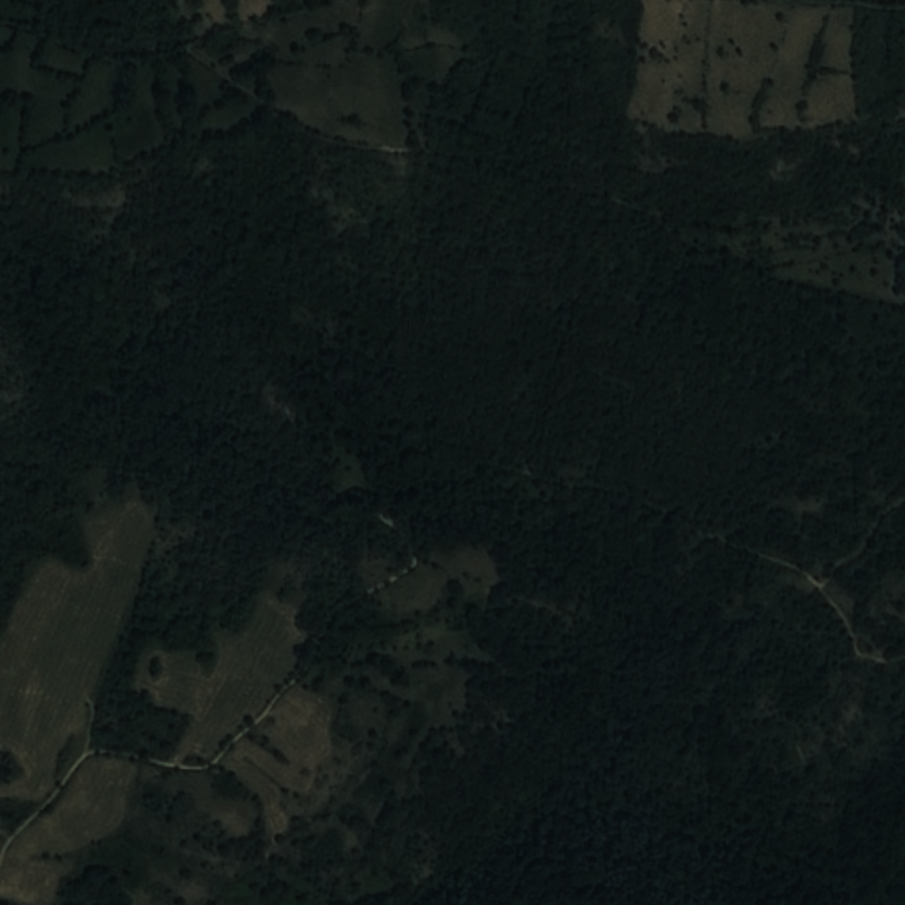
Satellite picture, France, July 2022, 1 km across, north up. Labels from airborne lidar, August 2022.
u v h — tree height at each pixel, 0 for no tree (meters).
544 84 11
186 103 27
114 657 6
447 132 12
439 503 19
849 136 9
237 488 15
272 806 0
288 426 12
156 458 15
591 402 6
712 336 12
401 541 6
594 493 17
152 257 8
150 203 11
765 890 11
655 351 9
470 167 15
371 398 21
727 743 16
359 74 0
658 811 33
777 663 10
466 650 0
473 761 10
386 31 0
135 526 0
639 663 20
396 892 15
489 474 11
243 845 10
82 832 0
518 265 11
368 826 7
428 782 13
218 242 14
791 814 15
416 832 8
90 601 0
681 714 9
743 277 16
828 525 10
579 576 15
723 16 0
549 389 9
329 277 17
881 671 10
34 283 25
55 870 0
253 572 11
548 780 7
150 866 0
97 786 0
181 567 12
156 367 19
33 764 0
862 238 7
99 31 8
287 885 14
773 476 12
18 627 0
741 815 12
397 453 7
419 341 17
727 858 18
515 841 18
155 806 7
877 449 10
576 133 9
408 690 0
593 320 9
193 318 5
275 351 21
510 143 9
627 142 8
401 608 0
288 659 0
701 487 11
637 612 24
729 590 12
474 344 18
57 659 0
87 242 7
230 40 6
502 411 12
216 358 28
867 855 14
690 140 6
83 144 0
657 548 15
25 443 18
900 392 17
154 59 10
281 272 11
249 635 0
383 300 15
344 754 0
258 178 9
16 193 13
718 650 7
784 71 0
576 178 13
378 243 8
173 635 13
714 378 7
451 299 15
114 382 11
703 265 11
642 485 11
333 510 18
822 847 19
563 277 10
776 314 11
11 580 16
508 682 15
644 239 7
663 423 12
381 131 0
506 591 12
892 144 10
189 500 12
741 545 11
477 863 25
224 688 0
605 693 24
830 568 11
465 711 8
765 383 7
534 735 23
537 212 14
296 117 12
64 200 8
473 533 17
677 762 10
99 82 0
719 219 7
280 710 0
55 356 15
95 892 15
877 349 8
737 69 0
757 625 9
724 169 8
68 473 13
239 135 21
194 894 0
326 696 0
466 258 12
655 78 0
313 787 0
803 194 8
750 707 7
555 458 10
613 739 20
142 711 10
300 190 14
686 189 13
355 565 6
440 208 7
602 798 17
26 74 0
